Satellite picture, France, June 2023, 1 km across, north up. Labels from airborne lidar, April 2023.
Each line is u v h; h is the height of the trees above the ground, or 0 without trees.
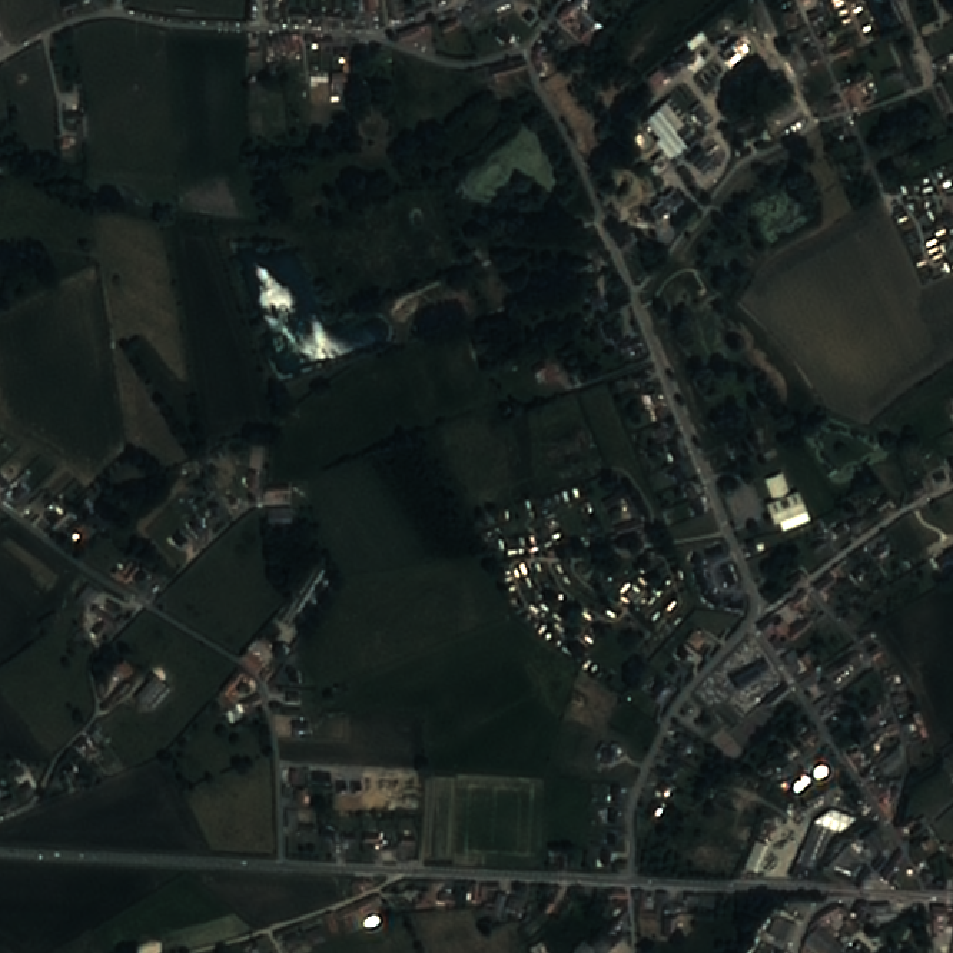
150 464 19
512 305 16
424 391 0
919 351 0
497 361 16
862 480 16
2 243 0
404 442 17
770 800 0
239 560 0
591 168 20
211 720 0
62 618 0
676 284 0
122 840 0
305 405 0
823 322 0
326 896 0
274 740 0
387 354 7
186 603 0
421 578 0
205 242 0
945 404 0
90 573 0
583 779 0
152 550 18
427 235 0
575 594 0
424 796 0
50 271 31
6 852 0
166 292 0
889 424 0
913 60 0
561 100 0
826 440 0
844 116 0
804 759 0
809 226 0
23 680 0
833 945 0
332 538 0
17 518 0
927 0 8
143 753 0
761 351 0
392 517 0
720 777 13
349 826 0
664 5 0
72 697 0
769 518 10
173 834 0
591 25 0
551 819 0
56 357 0
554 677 0
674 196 0
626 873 0
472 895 0
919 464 0
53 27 0
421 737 0
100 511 14
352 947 0
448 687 0
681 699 0
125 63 0
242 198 0
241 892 0
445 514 13
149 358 0
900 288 0
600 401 0
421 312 0
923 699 0
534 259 16
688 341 20
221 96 0
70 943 0
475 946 0
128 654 13
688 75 0
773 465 0
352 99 28
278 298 0
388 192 15
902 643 0
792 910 0
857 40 0
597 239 7
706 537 0
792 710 11
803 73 0
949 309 0
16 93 0
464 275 19
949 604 0
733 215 21
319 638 0
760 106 0
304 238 0
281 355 0
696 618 0
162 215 17
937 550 0
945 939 0
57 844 0
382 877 0
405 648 0
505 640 0
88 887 0
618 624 0
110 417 0
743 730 0
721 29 0
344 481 0
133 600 0
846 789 8
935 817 0
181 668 0
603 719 0
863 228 0
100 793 0
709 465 0
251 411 0
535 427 0
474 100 9
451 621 0
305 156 9
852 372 0
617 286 14
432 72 0
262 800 0
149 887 0
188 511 0
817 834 0
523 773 0
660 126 0
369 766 0
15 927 0
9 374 0
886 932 9
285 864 0
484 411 0
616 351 10
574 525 0
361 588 0
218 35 0
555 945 0
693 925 5
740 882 0
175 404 0
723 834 0
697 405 0
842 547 0
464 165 14
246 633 0
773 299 0
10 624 0
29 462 0
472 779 0
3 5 0
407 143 22
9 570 0
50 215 0
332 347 0
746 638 0
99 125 0
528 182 7
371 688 0
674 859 6
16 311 0
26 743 0
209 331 0
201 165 0
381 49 16
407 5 7
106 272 0
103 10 0
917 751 0
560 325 15
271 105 0
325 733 0
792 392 0
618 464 0
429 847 0
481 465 0
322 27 0
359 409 0
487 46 0
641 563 12
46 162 13
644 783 0
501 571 16
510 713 0
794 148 22
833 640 6
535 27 0
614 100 0
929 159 0
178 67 0
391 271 0
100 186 0
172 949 24
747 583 0
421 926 0
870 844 0
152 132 0
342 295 0
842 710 5
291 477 0
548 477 0
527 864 0
